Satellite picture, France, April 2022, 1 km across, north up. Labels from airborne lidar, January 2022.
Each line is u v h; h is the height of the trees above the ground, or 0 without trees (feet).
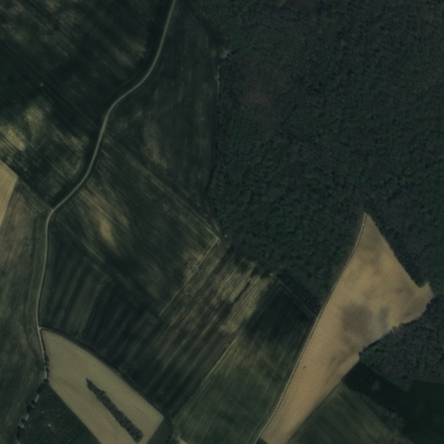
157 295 0
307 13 0
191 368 0
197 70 0
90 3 0
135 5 0
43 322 0
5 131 0
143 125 0
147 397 0
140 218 0
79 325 0
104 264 0
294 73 62
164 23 0
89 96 0
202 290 0
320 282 88
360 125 93
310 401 0
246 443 0
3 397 0
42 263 0
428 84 82
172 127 0
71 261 0
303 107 50
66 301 0
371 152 71
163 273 0
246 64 52
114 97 0
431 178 70
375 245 0
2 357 0
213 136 0
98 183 0
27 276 0
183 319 0
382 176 87
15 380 0
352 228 71
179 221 0
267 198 79
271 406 0
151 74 0
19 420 0
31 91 0
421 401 0
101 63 0
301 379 0
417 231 101
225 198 33
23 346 0
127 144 0
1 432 0
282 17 73
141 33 0
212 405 0
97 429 0
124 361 0
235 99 47
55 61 0
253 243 80
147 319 0
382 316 0
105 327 0
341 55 85
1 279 0
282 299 0
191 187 0
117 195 0
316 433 0
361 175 81
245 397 0
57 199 0
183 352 0
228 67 45
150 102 0
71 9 0
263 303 0
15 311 0
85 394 0
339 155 88
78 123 0
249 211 43
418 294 0
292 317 0
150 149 0
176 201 0
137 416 0
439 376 62
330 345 0
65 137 0
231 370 0
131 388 0
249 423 0
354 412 0
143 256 0
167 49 0
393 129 75
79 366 0
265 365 0
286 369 0
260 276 0
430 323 55
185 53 0
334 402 0
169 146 0
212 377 0
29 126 0
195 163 0
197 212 0
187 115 0
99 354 0
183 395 0
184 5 0
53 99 0
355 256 0
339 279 0
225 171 75
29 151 0
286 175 39
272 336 0
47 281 0
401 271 0
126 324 0
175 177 0
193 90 0
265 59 66
